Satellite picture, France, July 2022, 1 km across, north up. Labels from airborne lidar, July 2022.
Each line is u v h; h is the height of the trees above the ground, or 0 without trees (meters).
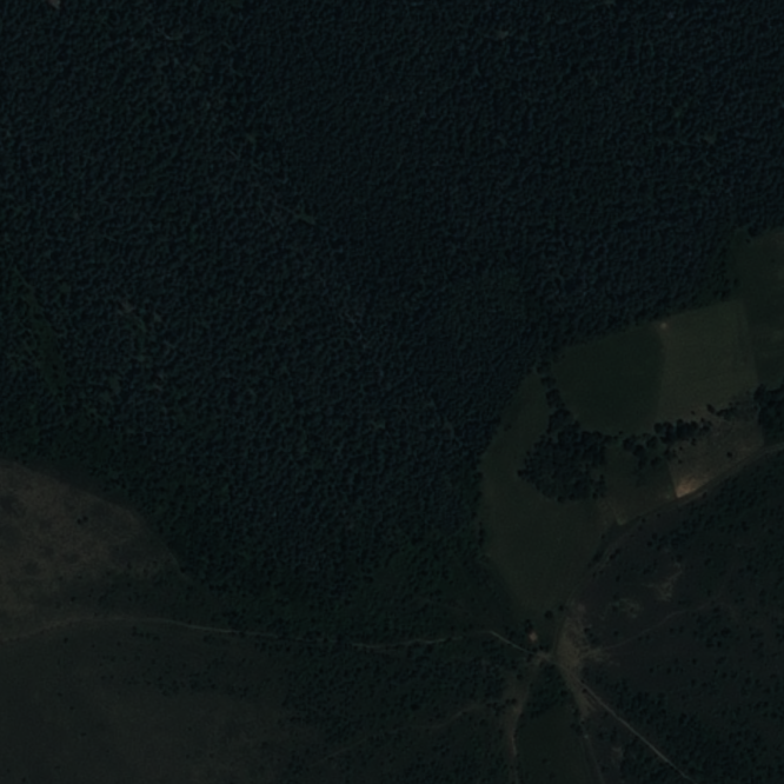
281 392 15
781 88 21
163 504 10
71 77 18
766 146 27
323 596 10
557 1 23
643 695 8
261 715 0
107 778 0
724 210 21
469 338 23
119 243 12
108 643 0
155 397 21
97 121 23
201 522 10
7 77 21
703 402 0
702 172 22
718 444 0
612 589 0
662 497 0
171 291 21
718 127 17
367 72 24
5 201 17
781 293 0
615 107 24
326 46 25
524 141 28
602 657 0
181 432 11
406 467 17
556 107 19
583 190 22
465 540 8
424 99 24
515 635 8
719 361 0
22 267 16
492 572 0
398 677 9
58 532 0
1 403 17
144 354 10
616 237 21
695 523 6
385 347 23
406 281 19
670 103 12
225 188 28
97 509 0
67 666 0
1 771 0
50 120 23
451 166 23
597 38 17
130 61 12
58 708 0
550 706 10
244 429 23
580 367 0
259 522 13
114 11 19
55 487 0
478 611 0
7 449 9
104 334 20
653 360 0
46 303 17
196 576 13
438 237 15
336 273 24
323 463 15
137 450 12
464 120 23
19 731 0
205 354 22
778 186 26
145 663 0
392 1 24
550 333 16
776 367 0
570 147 21
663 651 0
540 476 9
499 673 8
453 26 21
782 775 10
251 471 18
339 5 13
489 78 27
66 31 17
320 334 17
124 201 18
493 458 0
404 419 16
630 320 17
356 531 14
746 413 0
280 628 7
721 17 21
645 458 13
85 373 16
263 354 21
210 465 13
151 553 0
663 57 20
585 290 23
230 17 23
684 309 7
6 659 0
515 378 25
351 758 7
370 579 11
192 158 27
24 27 19
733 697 0
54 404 18
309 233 26
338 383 20
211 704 0
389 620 6
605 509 0
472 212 23
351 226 22
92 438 9
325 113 19
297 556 21
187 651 0
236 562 19
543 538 0
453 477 14
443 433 26
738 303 0
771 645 0
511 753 0
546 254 26
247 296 19
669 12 26
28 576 0
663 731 10
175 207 17
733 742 7
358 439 15
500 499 0
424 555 6
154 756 0
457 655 0
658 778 11
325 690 8
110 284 20
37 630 0
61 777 0
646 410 0
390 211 15
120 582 0
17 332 15
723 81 27
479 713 0
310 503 26
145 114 15
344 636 9
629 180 22
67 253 23
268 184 19
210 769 0
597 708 0
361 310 23
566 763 0
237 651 0
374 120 19
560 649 0
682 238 27
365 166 15
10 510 0
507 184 13
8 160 19
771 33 25
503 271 22
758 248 0
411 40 23
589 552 0
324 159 18
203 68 23
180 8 23
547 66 23
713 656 0
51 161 23
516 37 23
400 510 13
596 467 7
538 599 0
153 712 0
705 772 7
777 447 0
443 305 20
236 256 26
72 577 0
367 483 23
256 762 0
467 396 26
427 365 22
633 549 0
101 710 0
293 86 24
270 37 24
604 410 0
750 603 0
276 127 24
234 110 27
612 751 0
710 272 15
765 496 6
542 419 0
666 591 0
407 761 0
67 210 22
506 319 25
